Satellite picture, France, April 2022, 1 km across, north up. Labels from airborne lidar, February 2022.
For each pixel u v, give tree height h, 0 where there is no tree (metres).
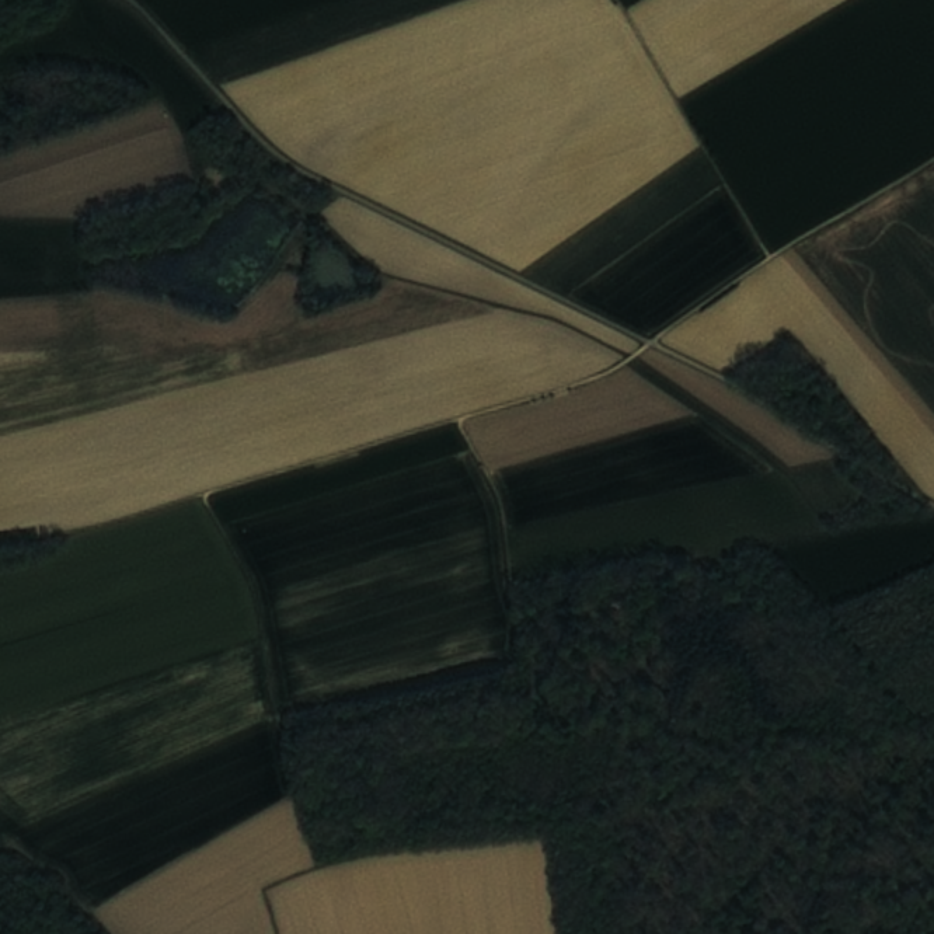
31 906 16
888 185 0
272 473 0
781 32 0
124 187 0
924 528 0
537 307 0
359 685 0
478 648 0
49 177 0
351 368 0
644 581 24
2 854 15
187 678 0
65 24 0
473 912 0
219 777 0
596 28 0
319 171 0
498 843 18
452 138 0
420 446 0
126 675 0
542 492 0
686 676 29
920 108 0
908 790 10
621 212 0
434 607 0
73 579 0
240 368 0
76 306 0
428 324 0
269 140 0
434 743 27
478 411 0
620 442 0
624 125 0
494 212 0
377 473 0
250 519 0
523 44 0
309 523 0
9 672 0
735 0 0
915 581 11
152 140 0
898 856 32
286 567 0
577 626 21
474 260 0
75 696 0
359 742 30
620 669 31
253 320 0
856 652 24
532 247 0
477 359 0
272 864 0
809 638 31
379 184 0
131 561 0
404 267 0
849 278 0
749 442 0
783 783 32
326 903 0
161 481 0
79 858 0
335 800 30
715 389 0
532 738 15
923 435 0
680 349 0
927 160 0
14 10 28
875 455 25
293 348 0
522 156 0
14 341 0
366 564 0
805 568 0
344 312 0
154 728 0
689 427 0
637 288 0
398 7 0
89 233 21
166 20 0
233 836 0
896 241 0
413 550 0
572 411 0
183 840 0
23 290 0
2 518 0
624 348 0
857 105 0
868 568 0
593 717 29
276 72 0
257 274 0
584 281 0
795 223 0
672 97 0
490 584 0
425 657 0
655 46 0
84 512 0
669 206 0
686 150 0
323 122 0
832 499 0
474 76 0
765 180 0
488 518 0
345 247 11
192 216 22
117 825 0
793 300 0
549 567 0
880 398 0
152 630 0
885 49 0
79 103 27
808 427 21
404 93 0
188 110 0
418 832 25
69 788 0
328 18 0
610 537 0
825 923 26
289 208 12
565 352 0
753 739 27
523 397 0
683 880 33
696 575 28
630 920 28
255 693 0
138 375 0
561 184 0
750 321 0
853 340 0
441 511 0
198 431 0
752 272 0
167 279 0
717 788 30
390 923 0
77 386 0
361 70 0
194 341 0
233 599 0
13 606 0
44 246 0
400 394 0
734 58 0
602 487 0
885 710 28
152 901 0
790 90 0
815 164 0
